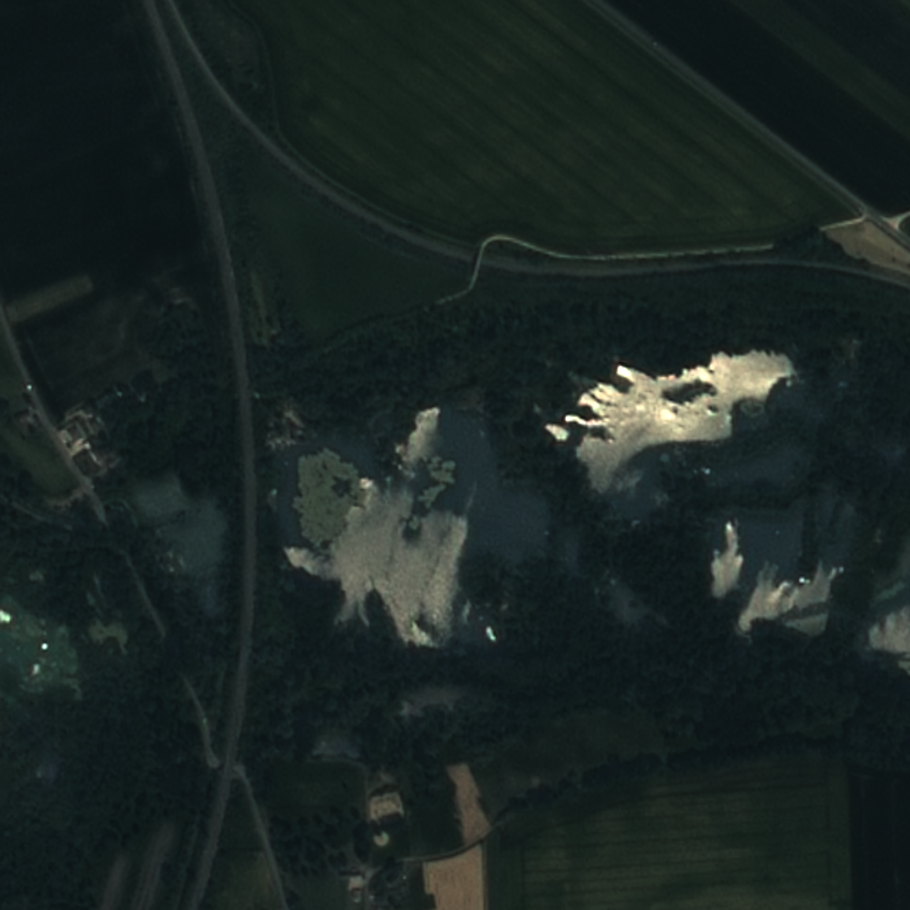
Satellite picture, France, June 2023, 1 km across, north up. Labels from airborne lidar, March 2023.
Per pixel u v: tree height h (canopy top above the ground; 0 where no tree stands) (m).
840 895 0
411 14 0
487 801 0
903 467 16
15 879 11
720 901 0
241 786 11
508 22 0
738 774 0
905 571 0
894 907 0
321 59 0
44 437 0
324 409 20
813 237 14
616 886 0
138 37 0
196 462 35
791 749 16
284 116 0
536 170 0
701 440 0
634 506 0
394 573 0
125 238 0
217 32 0
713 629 15
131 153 0
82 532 16
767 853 0
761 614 0
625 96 0
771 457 0
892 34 0
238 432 10
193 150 6
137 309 0
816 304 6
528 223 0
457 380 10
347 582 0
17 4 0
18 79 0
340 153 0
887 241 0
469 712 6
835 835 0
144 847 0
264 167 0
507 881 0
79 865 18
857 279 6
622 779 17
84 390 0
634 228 0
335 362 9
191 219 0
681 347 18
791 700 29
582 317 25
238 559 8
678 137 0
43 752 13
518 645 17
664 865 0
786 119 0
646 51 0
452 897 0
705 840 0
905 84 0
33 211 0
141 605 26
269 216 0
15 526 8
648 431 0
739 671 21
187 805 6
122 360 0
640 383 0
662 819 0
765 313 8
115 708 7
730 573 0
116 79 0
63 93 0
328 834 13
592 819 0
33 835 8
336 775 0
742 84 0
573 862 0
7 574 8
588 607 22
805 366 8
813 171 0
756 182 0
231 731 0
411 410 11
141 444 21
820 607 0
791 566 0
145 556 8
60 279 0
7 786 0
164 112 0
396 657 17
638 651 19
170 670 12
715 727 28
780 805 0
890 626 0
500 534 0
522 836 0
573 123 0
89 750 8
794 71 0
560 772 0
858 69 0
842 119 0
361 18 0
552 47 0
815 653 12
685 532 18
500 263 0
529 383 18
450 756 0
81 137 0
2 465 16
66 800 6
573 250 0
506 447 26
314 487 0
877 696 33
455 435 0
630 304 15
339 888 0
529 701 24
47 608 11
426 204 0
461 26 0
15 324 0
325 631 23
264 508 16
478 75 0
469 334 16
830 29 0
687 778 0
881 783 0
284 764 0
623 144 0
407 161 0
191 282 0
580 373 8
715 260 11
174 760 6
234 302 0
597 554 6
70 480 0
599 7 0
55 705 6
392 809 0
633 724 0
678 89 0
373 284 0
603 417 0
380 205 0
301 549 0
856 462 23
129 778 29
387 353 18
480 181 0
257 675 6
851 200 0
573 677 24
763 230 0
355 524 0
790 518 0
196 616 6
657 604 13
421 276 0
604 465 0
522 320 15
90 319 0
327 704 14
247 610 0
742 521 0
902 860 0
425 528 0
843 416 12
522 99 0
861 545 0
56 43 0
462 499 0
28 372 0
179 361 18
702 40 0
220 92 0
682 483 15
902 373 25
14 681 0
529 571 14
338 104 0
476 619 0
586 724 0
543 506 0
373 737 31
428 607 0
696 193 0
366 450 0
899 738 10
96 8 0
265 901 0
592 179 0
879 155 0
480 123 0
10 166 0
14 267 0
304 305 0
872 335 7
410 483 0
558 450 17
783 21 0
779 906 0
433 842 0
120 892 0
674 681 19
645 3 0
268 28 0
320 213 0
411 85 0
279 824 16
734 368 0
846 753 18
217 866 13
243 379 0
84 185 0
